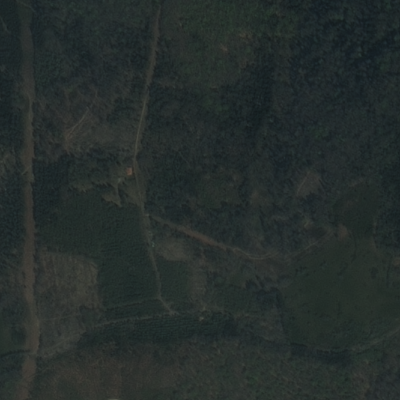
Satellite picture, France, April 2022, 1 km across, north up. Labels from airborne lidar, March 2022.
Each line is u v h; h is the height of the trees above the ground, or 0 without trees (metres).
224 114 29
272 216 6
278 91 33
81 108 0
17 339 9
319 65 38
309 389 25
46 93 25
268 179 6
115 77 21
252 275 18
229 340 26
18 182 21
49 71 11
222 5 26
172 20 27
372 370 30
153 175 16
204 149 19
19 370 26
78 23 17
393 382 32
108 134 0
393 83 37
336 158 31
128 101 13
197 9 23
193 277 0
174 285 11
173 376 7
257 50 17
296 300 0
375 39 35
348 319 0
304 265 0
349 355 18
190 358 25
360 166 13
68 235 14
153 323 6
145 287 12
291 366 25
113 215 13
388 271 7
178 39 25
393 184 19
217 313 8
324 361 22
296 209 25
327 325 0
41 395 6
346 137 29
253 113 26
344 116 29
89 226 11
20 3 7
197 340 26
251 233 32
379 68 36
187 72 28
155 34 9
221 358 24
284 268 0
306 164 19
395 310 0
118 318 10
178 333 7
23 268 0
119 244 11
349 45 35
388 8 31
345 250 0
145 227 0
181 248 0
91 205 15
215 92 24
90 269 0
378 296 0
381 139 19
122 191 13
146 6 26
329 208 20
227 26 27
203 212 20
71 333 0
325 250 0
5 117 16
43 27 21
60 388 7
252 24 21
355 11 32
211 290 22
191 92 24
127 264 9
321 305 0
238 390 29
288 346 17
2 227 24
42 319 0
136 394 7
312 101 37
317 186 0
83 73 12
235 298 13
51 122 23
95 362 6
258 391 31
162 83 23
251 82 27
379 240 20
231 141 29
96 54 26
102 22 23
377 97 32
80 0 29
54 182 23
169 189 8
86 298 0
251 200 26
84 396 8
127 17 26
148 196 11
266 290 25
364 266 0
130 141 0
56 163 17
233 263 22
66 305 0
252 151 27
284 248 25
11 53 19
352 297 0
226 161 18
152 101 9
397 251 26
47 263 0
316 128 36
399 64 32
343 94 25
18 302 24
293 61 15
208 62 28
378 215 0
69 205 13
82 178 21
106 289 9
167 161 21
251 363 28
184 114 13
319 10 25
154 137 15
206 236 12
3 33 18
